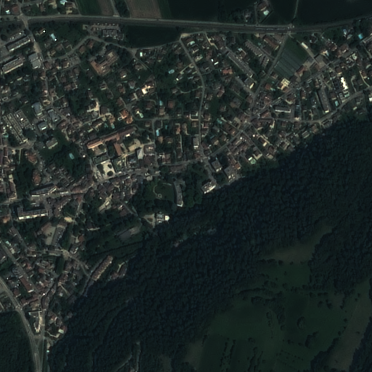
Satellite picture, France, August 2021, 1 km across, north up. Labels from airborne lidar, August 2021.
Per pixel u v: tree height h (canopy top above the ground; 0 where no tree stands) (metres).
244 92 7
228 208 26
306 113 6
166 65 8
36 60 0
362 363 23
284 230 26
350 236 21
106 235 16
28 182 7
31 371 16
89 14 0
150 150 0
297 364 0
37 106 0
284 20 0
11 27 12
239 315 0
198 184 25
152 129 9
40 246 17
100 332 25
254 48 0
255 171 13
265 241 27
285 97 0
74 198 8
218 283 23
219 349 0
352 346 0
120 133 0
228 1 0
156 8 0
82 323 23
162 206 14
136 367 9
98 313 23
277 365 0
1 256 0
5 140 0
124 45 9
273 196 27
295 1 0
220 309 20
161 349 22
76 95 23
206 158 0
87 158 13
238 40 9
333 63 10
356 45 13
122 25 12
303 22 8
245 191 33
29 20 0
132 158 0
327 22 6
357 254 29
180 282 26
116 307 18
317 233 15
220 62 6
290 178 31
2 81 14
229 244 26
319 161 8
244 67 0
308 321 0
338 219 14
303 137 13
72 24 11
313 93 9
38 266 10
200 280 30
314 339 19
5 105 7
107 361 18
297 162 25
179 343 20
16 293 0
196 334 18
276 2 0
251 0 0
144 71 0
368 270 21
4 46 0
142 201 16
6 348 11
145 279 24
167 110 9
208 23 0
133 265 21
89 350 19
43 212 0
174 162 8
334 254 23
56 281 10
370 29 0
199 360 0
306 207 29
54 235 0
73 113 7
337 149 28
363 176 19
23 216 0
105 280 6
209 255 20
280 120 8
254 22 6
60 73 9
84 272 0
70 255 0
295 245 20
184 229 33
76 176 9
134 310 33
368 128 26
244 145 0
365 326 0
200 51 6
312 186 27
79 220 14
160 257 17
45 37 9
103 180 0
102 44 8
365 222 35
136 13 0
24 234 13
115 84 0
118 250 9
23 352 21
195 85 11
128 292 25
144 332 20
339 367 0
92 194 0
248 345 0
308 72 8
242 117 0
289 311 0
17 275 0
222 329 0
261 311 0
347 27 9
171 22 0
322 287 13
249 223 24
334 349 14
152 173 11
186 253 23
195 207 13
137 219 20
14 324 16
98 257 11
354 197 21
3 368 22
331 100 12
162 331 16
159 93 8
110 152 12
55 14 0
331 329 0
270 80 0
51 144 0
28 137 29
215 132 11
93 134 0
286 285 13
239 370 0
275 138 8
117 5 9
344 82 0
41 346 0
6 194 6
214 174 10
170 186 0
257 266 21
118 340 21
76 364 22
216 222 6
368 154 13
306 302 0
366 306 0
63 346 7
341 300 0
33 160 0
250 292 16
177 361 18
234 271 18
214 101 0
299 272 0
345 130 22
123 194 0
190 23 0
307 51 0
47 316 8
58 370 9
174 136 12
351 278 18
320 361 23
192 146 9
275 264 19
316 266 23
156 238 21
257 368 15
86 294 0
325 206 15
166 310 28
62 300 8
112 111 6
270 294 15
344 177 11
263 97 0
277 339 0
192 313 22
